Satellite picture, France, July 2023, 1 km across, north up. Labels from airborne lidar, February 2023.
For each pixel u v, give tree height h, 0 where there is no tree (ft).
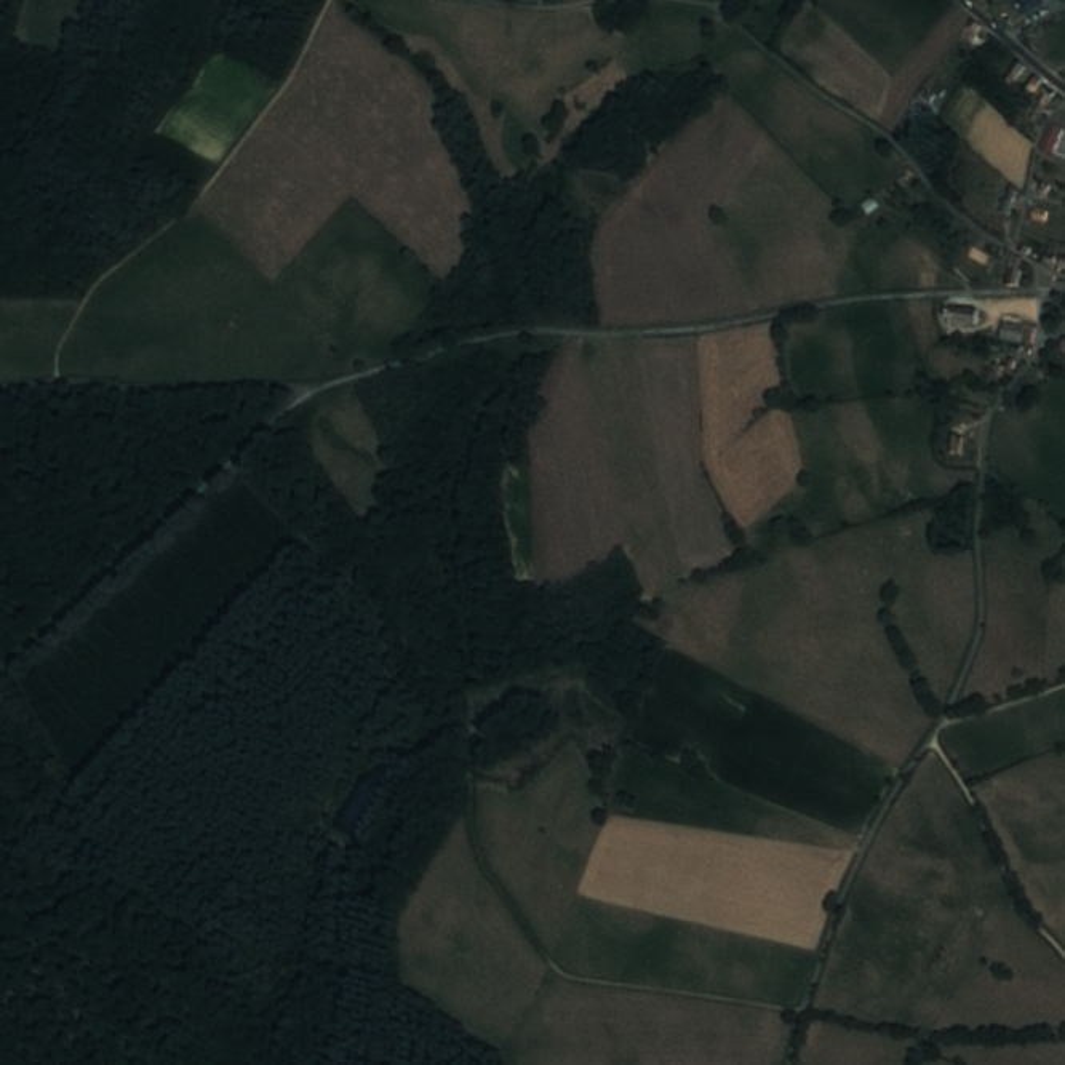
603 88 0
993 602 0
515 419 41
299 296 0
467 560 60
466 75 0
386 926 61
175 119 0
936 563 0
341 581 90
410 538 78
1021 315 0
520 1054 0
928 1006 0
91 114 77
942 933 0
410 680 58
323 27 0
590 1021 0
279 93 0
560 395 0
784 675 0
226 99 0
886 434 0
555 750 63
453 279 37
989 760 0
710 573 21
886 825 0
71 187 73
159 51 74
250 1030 67
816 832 0
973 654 0
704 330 0
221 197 0
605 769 58
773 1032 0
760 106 0
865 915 0
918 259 0
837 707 0
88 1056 72
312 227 0
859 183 0
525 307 31
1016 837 0
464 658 24
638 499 0
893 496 0
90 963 82
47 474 40
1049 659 0
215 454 65
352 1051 61
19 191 77
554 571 0
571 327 0
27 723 66
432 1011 70
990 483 25
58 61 33
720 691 0
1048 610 0
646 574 0
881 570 0
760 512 0
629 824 0
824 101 0
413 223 0
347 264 0
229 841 93
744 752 0
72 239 86
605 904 0
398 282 0
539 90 0
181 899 80
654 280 0
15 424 73
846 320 0
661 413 0
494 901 0
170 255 0
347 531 81
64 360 0
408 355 49
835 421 0
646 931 0
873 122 0
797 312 39
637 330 0
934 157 77
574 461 0
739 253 0
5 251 73
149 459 77
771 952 0
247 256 0
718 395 0
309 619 95
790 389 41
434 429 39
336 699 101
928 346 0
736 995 0
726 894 0
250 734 107
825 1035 0
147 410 73
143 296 0
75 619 100
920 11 0
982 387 20
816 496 0
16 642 72
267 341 0
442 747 86
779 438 0
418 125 0
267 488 83
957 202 40
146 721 103
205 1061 69
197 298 0
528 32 0
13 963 85
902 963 0
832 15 0
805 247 0
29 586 73
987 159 0
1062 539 0
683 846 0
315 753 100
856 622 0
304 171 0
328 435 0
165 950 71
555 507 0
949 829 0
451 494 47
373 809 70
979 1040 42
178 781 97
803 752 0
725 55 0
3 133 36
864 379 0
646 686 51
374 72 0
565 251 37
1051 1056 0
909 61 0
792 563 0
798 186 0
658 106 50
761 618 0
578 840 0
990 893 0
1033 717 0
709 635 0
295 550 96
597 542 0
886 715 0
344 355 0
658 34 0
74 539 63
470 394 41
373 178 0
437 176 0
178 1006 70
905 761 0
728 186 0
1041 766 0
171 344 0
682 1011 0
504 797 0
